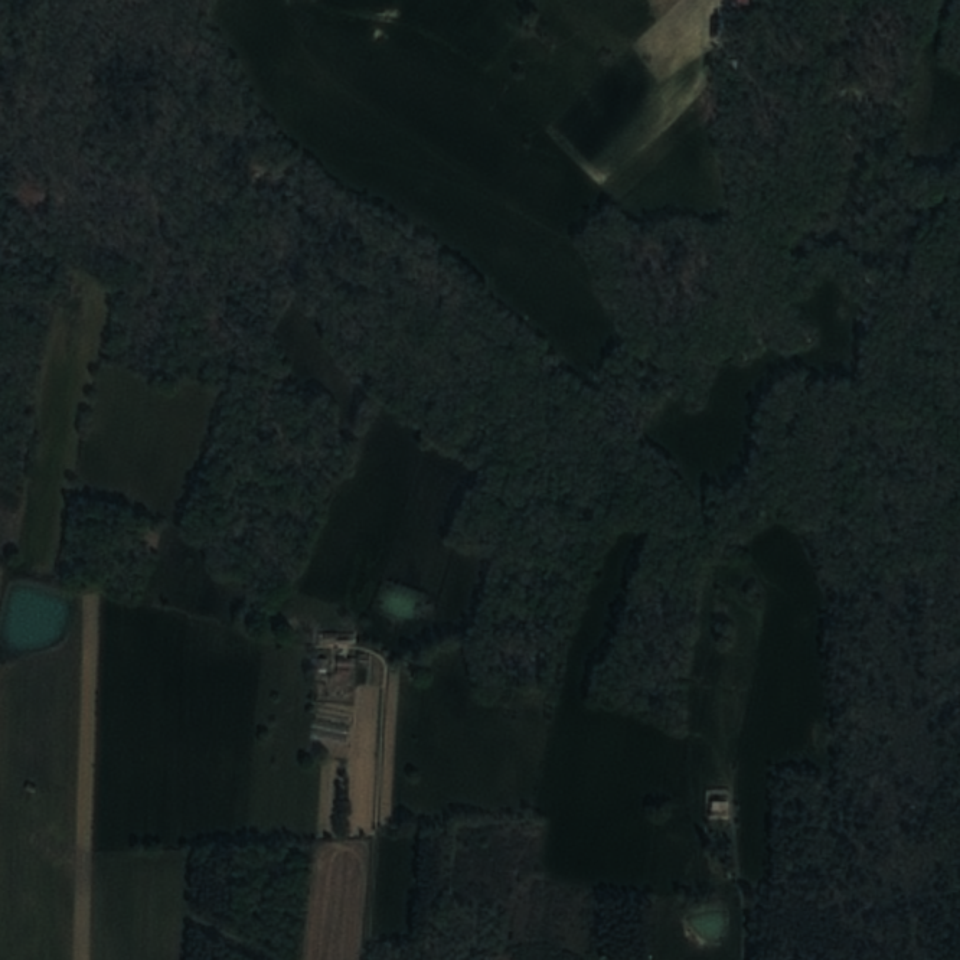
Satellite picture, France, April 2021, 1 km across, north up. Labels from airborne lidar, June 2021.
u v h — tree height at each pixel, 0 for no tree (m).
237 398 18
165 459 0
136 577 22
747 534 19
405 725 0
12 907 0
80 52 16
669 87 0
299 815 0
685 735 14
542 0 0
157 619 0
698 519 20
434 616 0
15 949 0
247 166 24
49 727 0
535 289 0
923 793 14
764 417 25
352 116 0
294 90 0
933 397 18
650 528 20
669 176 0
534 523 31
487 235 0
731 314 19
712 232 18
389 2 0
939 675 9
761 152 16
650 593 19
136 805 0
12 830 0
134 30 12
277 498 27
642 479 20
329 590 0
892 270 23
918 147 0
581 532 29
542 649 12
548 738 0
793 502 23
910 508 18
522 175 0
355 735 0
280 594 27
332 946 0
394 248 15
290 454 22
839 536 15
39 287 17
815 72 20
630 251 7
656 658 26
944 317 23
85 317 0
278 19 0
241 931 17
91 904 0
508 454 20
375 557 0
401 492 0
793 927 15
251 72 0
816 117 21
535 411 19
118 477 0
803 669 0
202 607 0
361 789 0
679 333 15
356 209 13
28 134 13
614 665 21
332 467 22
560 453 19
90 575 25
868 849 15
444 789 0
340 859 0
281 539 25
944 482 17
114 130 13
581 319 0
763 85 18
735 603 0
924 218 16
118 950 0
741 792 0
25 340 20
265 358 25
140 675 0
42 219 20
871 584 19
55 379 0
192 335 16
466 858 6
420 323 15
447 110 0
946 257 18
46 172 20
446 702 0
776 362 0
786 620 0
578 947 0
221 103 20
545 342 16
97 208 18
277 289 23
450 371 15
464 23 0
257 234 22
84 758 0
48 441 0
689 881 0
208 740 0
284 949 20
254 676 0
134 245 17
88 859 0
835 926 15
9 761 0
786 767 8
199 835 0
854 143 23
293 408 26
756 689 0
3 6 20
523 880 6
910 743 10
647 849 0
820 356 0
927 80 0
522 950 8
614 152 0
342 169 0
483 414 18
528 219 0
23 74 18
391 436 0
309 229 18
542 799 0
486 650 22
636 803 0
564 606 23
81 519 19
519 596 24
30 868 0
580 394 19
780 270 22
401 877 0
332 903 0
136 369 12
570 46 0
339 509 0
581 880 0
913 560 20
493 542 26
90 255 13
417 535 0
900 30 22
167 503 0
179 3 16
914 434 15
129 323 19
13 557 17
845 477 16
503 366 19
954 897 11
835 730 18
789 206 20
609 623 0
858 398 23
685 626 23
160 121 18
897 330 19
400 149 0
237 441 18
